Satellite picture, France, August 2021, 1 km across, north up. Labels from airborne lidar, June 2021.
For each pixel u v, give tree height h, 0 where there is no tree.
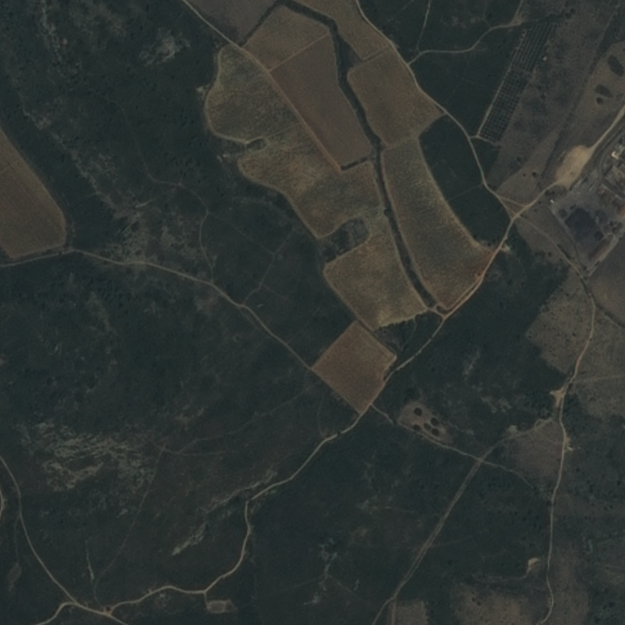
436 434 7
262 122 0
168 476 0
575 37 0
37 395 0
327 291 0
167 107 0
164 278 0
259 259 0
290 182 0
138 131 0
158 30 0
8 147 0
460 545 0
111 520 0
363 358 0
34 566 0
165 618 0
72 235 0
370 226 0
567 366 0
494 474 0
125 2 0
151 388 0
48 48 0
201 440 0
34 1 0
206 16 0
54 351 0
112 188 0
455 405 0
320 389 0
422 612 0
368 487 0
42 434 0
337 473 0
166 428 0
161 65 0
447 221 0
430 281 0
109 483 0
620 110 0
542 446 0
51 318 0
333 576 0
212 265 0
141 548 0
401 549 0
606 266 0
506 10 0
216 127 0
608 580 0
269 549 0
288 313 0
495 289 0
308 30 0
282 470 0
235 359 0
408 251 0
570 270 0
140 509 0
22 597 0
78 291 0
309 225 0
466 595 0
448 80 0
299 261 0
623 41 0
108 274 0
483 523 0
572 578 0
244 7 0
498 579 0
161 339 0
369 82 0
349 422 0
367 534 0
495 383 0
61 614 0
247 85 0
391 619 0
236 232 0
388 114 0
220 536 0
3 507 0
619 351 0
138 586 0
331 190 0
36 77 0
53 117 0
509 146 0
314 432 0
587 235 0
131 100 0
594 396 0
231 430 0
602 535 0
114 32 0
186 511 0
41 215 0
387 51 0
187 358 0
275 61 0
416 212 0
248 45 0
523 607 0
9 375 0
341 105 0
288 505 0
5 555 0
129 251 0
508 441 0
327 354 0
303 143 0
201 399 0
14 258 0
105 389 0
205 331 0
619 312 0
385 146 0
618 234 0
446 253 0
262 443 0
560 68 0
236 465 0
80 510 0
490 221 0
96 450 0
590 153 0
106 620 0
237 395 0
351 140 0
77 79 7
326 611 0
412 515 0
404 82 0
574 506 0
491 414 0
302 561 0
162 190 0
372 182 0
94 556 0
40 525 0
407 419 0
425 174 0
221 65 0
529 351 0
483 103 0
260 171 0
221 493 0
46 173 0
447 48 0
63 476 0
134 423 0
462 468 0
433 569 0
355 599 0
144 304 0
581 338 0
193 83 0
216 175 0
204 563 0
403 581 0
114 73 0
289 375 0
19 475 0
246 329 0
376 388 0
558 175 0
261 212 0
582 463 0
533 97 0
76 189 0
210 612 0
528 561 0
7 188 0
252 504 7
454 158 0
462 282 0
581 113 0
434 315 0
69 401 0
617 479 0
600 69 0
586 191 0
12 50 0
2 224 0
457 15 0
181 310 0
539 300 0
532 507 0
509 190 0
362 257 0
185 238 0
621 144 0
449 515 0
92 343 0
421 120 0
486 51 0
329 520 0
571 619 0
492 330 0
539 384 0
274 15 0
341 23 0
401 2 0
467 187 0
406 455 0
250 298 0
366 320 0
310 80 0
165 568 0
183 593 0
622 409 0
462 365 0
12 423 0
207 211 0
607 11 0
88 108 0
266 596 0
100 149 0
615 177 0
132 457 0
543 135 0
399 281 0
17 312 0
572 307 0
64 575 0
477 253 0
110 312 0
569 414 9
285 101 0
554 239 0
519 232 0
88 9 7
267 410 0
